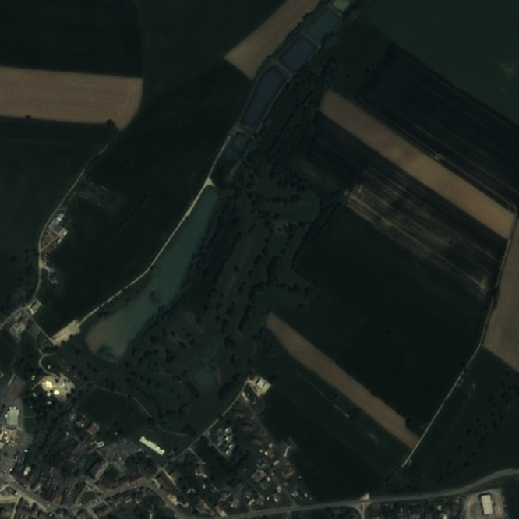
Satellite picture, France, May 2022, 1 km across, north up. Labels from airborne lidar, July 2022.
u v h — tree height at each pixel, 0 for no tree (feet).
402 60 0
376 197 0
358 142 0
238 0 0
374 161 0
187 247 0
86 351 0
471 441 0
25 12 0
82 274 0
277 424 0
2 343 0
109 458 0
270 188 0
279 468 0
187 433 50
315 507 0
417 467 0
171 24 0
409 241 0
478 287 0
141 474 0
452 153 0
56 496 0
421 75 0
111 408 0
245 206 0
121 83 0
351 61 0
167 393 22
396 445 0
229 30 0
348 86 0
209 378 0
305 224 26
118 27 0
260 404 0
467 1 0
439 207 0
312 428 0
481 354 0
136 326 0
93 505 0
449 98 0
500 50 0
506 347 0
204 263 69
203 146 0
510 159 0
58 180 0
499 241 0
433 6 0
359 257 0
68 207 0
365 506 0
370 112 0
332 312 0
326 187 0
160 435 0
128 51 0
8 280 0
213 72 0
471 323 0
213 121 0
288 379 0
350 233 0
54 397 0
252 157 54
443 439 0
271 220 22
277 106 33
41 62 0
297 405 0
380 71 0
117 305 0
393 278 0
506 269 0
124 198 0
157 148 0
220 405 0
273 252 0
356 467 0
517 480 0
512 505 0
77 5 0
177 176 0
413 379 0
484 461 0
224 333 58
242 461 41
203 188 0
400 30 0
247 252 0
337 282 0
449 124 0
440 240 0
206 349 0
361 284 0
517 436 0
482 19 0
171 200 0
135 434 0
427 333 0
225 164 0
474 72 0
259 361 0
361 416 37
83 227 0
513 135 0
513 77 0
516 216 0
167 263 0
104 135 0
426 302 0
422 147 0
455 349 0
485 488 0
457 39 0
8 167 0
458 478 0
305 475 0
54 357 0
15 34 0
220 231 58
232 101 0
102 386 0
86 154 0
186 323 0
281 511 0
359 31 0
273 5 0
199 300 0
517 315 0
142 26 0
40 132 0
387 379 0
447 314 0
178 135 0
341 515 24
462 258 0
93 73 0
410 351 0
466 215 0
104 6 0
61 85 0
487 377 0
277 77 0
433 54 0
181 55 0
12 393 0
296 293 42
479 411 0
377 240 0
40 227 0
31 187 0
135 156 0
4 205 0
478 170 0
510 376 57
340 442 0
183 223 0
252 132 0
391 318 0
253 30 0
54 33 0
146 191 0
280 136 36
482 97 0
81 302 0
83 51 0
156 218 0
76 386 0
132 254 0
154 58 0
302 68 27
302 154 43
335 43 32
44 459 25
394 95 0
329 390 0
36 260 0
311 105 57
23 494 0
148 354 50
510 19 0
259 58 0
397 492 39
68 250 0
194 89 0
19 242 0
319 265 0
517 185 0
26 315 0
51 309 0
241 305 0
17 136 0
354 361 0
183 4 0
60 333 0
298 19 0
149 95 0
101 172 0
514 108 0
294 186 52
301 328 0
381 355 0
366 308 0
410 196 0
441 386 0
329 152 0
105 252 0
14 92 0
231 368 0
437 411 0
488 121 0
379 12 0
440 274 0
